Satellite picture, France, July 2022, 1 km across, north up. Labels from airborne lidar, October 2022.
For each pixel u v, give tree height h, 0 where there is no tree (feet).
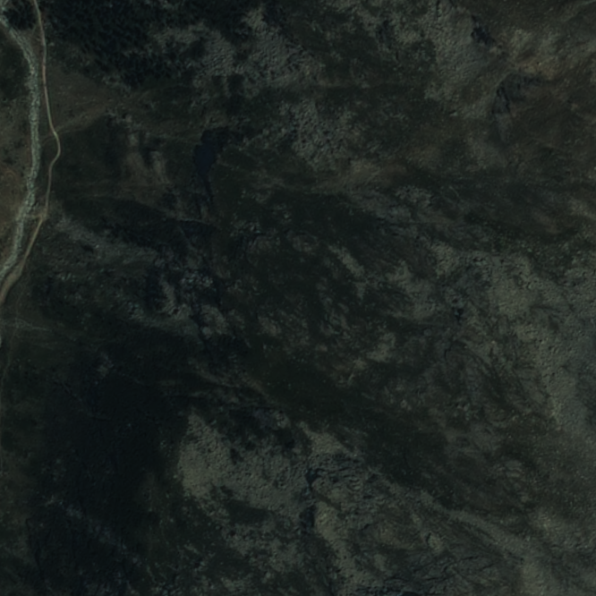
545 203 0
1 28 0
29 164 0
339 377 0
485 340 0
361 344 0
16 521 0
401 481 0
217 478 0
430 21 0
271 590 0
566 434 0
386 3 0
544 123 0
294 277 0
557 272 0
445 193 0
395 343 0
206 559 0
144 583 0
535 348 0
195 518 0
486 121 0
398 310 0
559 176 0
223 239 0
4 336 0
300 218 0
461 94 0
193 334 0
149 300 27
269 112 0
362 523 0
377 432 0
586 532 0
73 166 0
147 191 0
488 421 0
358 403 0
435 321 0
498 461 0
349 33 0
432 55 0
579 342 0
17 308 0
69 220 0
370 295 0
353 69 0
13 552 0
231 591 0
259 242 0
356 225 0
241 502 0
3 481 0
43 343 0
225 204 0
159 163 0
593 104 0
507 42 0
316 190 0
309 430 0
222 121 0
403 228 0
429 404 0
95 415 21
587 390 0
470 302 0
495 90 0
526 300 0
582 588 0
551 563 0
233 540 0
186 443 0
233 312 0
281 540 0
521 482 0
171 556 0
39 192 0
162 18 32
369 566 0
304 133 0
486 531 0
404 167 0
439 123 0
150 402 19
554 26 0
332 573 0
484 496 0
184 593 0
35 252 0
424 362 0
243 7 34
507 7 0
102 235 0
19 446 0
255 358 0
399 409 0
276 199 0
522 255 0
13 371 0
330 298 0
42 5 38
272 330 0
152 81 0
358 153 0
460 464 0
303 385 0
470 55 0
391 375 0
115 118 0
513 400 0
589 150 0
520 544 0
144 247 34
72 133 0
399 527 0
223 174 0
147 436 27
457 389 0
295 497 0
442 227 0
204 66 27
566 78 0
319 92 0
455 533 0
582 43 0
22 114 0
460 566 0
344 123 0
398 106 0
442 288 0
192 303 20
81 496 22
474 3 0
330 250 0
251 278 0
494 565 0
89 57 0
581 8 0
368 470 0
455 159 0
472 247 0
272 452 0
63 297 0
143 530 0
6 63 0
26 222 0
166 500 0
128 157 0
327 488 0
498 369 0
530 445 0
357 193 0
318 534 0
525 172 0
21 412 0
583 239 0
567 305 0
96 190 0
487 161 0
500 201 0
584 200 0
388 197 0
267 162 0
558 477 0
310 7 0
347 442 0
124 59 32
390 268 0
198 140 0
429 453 0
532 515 0
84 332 0
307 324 0
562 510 0
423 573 0
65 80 0
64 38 36
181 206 0
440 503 0
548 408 0
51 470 19
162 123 0
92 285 0
